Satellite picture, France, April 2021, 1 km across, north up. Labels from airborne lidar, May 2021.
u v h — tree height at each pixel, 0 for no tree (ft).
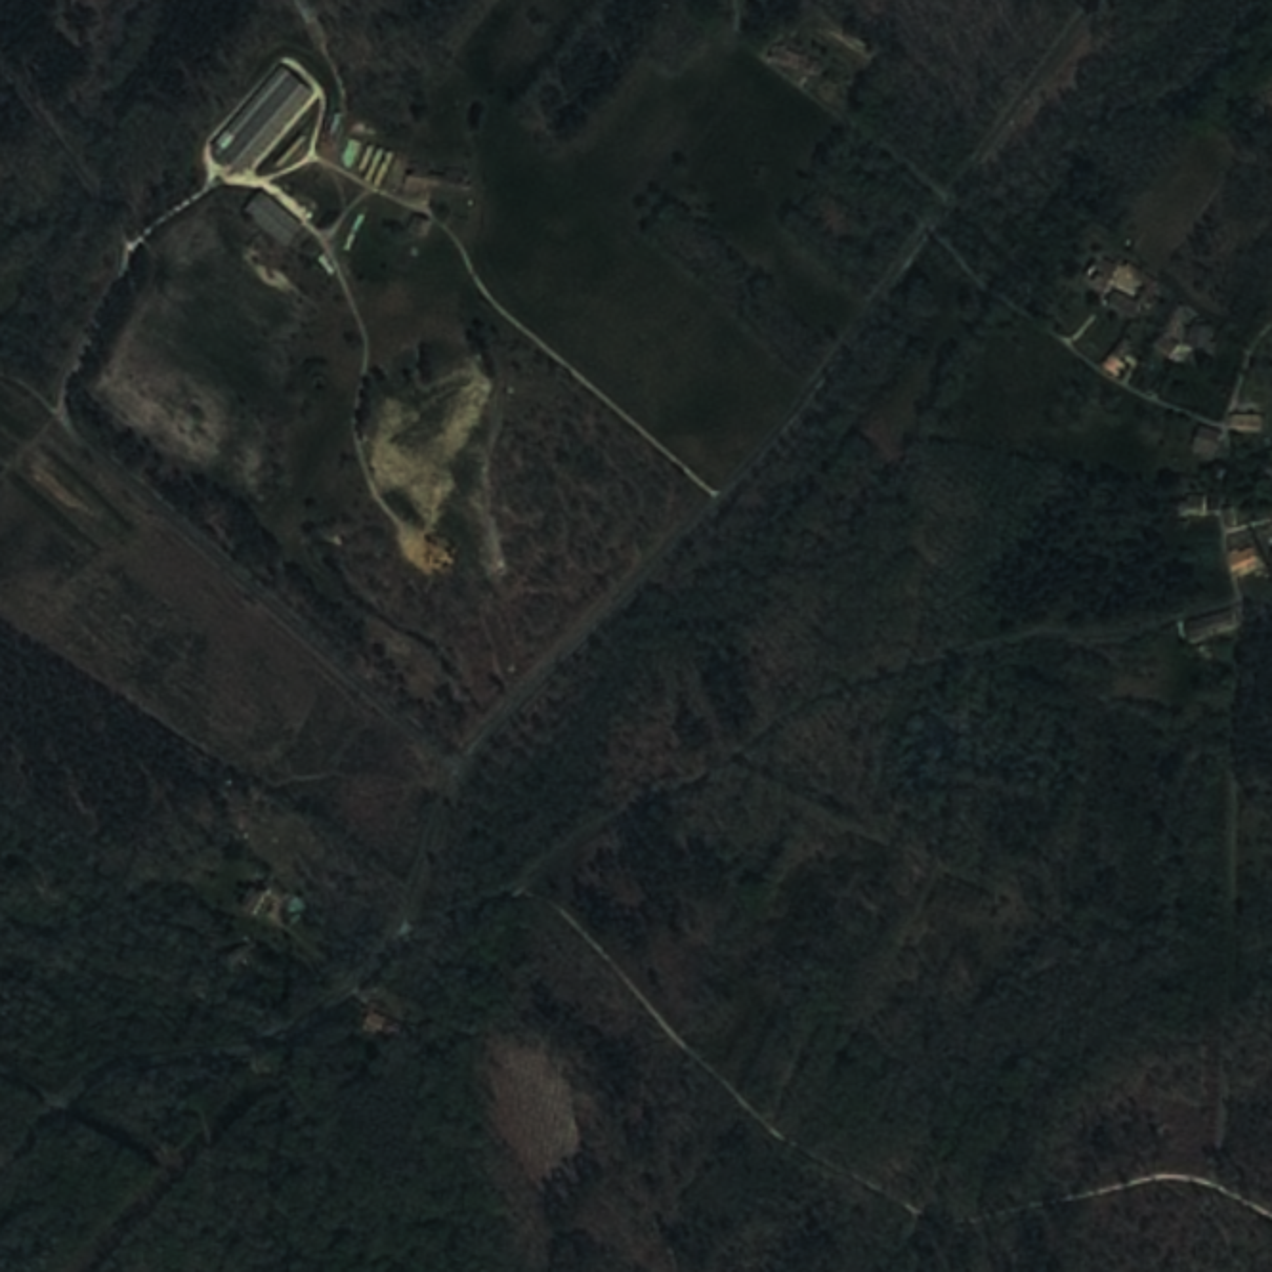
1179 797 35
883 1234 53
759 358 0
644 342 0
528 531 23
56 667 66
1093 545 38
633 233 0
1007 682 32
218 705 0
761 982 42
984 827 39
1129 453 0
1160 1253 42
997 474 29
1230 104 69
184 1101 68
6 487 0
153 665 0
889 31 50
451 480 0
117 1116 63
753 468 0
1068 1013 49
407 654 0
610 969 39
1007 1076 54
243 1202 46
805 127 0
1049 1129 56
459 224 0
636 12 67
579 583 34
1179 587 59
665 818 79
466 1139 90
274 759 0
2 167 45
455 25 50
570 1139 0
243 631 0
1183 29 69
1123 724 21
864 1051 51
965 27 47
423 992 42
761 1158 27
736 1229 35
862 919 73
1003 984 28
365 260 0
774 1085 48
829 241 56
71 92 50
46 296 56
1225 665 28
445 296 0
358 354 30
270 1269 32
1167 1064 57
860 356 57
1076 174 28
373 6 48
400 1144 87
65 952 68
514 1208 60
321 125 0
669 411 0
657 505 53
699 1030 31
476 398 0
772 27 53
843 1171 55
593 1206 71
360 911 69
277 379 0
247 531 48
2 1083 57
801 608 63
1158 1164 30
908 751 36
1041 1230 72
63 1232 66
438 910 43
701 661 59
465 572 33
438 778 0
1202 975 24
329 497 0
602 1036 30
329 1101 75
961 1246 44
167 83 27
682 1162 65
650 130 0
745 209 0
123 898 61
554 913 39
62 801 72
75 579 0
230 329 0
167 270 0
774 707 49
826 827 40
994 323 37
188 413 26
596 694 43
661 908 86
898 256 53
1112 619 63
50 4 50
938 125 45
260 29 30
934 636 36
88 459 46
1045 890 58
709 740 70
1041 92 0
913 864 45
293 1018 69
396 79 40
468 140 0
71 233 26
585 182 0
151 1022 43
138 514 0
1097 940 59
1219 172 0
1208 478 22
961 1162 74
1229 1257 56
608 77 60
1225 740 39
